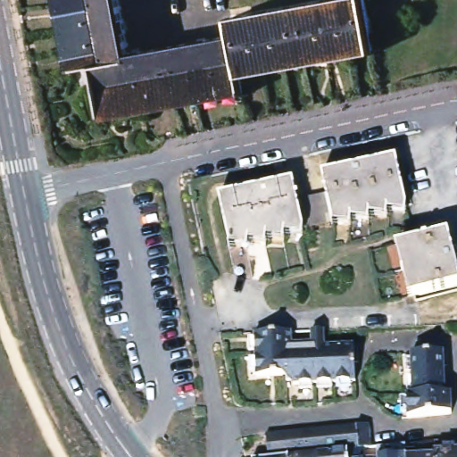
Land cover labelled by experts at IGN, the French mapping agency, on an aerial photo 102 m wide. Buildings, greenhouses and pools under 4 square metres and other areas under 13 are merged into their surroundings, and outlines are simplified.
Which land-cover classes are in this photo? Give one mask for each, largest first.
<instances>
[{"label":"impervious surface","instance_id":"1","mask_svg":"<svg viewBox=\"0 0 457 457\"><path fill-rule=\"evenodd\" d=\"M30 68L25 45L21 23V14L18 12V0H0V177L4 184L5 202L20 257L21 275L29 293L30 305L36 316L46 352L54 366L55 377L59 378L80 418L86 423L91 436L95 437L102 457H166L161 446L157 445V437L166 434V428L170 425L175 412L200 403H205L209 411L205 428L207 457H255V450L259 446L268 448L271 441L348 434L353 430V423H368L370 420H373L375 427V445L382 446L384 450H400V441L407 443V448H430L441 445L443 441H457V403L452 407L425 403L423 407L412 411L407 407L400 409L396 405L395 411L402 412L403 418L395 421L391 416L380 414L373 407L375 400L370 396H357L353 402L346 403L323 402L325 396L332 395V387L337 386L339 395L350 393L353 377L289 378L284 370H278L277 366L257 370L255 337L261 334L262 328L266 325L296 327L298 334H305L311 332L314 321L320 316H327L330 328H353L359 336L366 337L362 361H366L378 355V350H395L396 353H402L403 382L405 386H409L412 380L409 353L412 352L414 345L428 343L443 346L446 387L452 389V396L457 400V320L428 328L425 323H420V320L423 316L432 314L428 298L457 291V286L428 291L421 295H409L400 270H396V284L400 293H403L402 298L395 302L382 303L370 307H316L307 311L300 305L289 311L280 307L275 312L264 300V280L262 273L270 270L266 252L275 248L273 243L266 245L264 241H239L237 245L243 246L246 253L255 259V271L252 277L246 278V275H241V268H234L230 273H223L218 280H214V286L209 293H200V287L196 282L195 257L191 253L184 225V212L180 207V191H184L186 182H191V177L204 179L214 173L216 177H227L228 173H234L239 168L264 166L293 157L303 159L305 155L316 152V143H327L328 150L332 152L336 148L366 145L395 137L396 145L393 148L398 155L405 187V214L403 221H395L389 225L396 227L398 232L423 225H434L441 221L448 223L450 234L457 230V79L411 87L384 95L368 96H362L357 100H345L339 104H318L312 111H296L293 114L271 116L268 120L205 130L195 134L168 139L161 150L152 154L134 155L118 161L87 164L73 162L62 168H54L48 164L46 157L45 134L39 120ZM150 179L159 180L166 193L170 225L173 228L175 245L179 250L180 271L187 291V307L191 314L189 320H184V316L175 311V298H168V291H173V287L166 284L164 278H157L161 271H168V257L148 259L146 253L148 248L157 252L166 250L159 236L161 225L155 223L157 216L143 214L134 204L136 195L132 186L139 180ZM89 191H98L105 195L104 209L86 212V223L80 227L89 228L93 232V250L96 252V259L100 261L98 273L102 289L107 295L93 303L98 316H104L105 323L111 325L112 334L120 339H127V355L134 384L136 389L145 393L148 400L145 418L130 416L127 405L121 400L120 391L116 389L107 373L93 337V330L82 307L79 287L71 273L68 255L62 245L59 209L66 202H70L73 196ZM221 330L239 334V337H232V343L246 346L248 378H264L266 386H270V398H287L289 395L296 398H311L312 384H318V407L298 409L293 405H284V409L257 411L252 405H243L237 396L228 395L227 387H220V378L216 375L214 361L216 352L225 350ZM130 14L134 16L132 25L136 27L137 32L143 37V43L150 50L216 39L218 21H223L225 25L234 23L236 14L246 12L250 11L248 5L228 9V0H129Z\"/></svg>","mask_w":457,"mask_h":457},{"label":"building","instance_id":"2","mask_svg":"<svg viewBox=\"0 0 457 457\"><path fill-rule=\"evenodd\" d=\"M46 11L50 12V27L54 30V37L59 64L73 62L75 68L68 70V75H79L80 86L89 84L91 87L93 102L89 104V116L96 123H104L111 127L114 120L137 114L154 120L161 118L162 112L166 109L177 111H186L187 105H196L202 104L204 109L209 111L214 109L216 100H221L223 105H234L237 102L234 82L237 80L278 75L296 71L300 66L303 70H309L334 64V68H337L339 59L352 61L361 59L364 52L355 0H327L257 14L246 12L236 14L234 23L225 25L223 21H218L216 39L150 50L143 43V37L137 32L136 27L132 25L134 16L130 14L129 0H46ZM323 193L309 196V225L318 227H330V223L337 225L348 227L350 212H353L357 218V227H361L368 221L370 209L375 211L378 218H386L387 205H391L395 212L405 214V187L398 155L393 148L327 162L320 177ZM227 237L234 239L237 245L239 241H264L266 245L273 243L275 248L284 246V232L291 234L293 243L300 241L302 218L295 177L291 171L227 184L214 186ZM393 236H395V241L400 270L409 295H421L428 291L457 286V230L450 234L448 223L441 221L434 225H423L398 232L393 234ZM366 337L359 336L353 328H330L327 316H320L314 321L311 332L305 334H298L296 327L266 325L262 328L261 334L255 337L257 370L277 366L278 370H284L289 378L353 377L355 373H361L366 361H362ZM412 380L409 386L407 393L398 395L396 405L400 409L407 407L412 411L423 407L425 403L452 407L457 403V400L452 396V389L446 387L443 346L428 343L414 345L412 352L409 353ZM255 457H457V441H443L441 445L430 448H407V443L400 441V450H384L382 446L375 445V427L373 420H370L368 423H353V430L348 434L271 441L268 448L259 446L255 450Z\"/></svg>","mask_w":457,"mask_h":457},{"label":"herbaceous vegetation","instance_id":"3","mask_svg":"<svg viewBox=\"0 0 457 457\"><path fill-rule=\"evenodd\" d=\"M327 0H228V9L248 5L250 11L246 12L257 14ZM364 52L373 55L375 59L378 89L384 95L411 87L457 79V0H355ZM403 5L412 7L418 14V20L425 25L416 36L409 39L403 37L402 23L398 18ZM21 23H29L30 29L50 27V12L46 11H29L27 14H21ZM30 68L39 66L48 70L57 68L59 64L54 37L25 45ZM355 68L353 80L359 86V95L362 96H368L370 86L366 82V61L361 59L352 61ZM291 104L296 111H302L300 84L296 71L287 73ZM278 75L237 80L234 82L237 102H241L246 95H253L255 102H266L268 95L264 87L271 82L277 84ZM189 123L195 127V134L205 130L196 111V105H187L186 111ZM182 127L177 111L166 109L162 112L161 118L154 120V132L171 136L175 130ZM227 177H216L214 173L204 179L191 177V182H186L184 191H180V207L184 212V225L191 253L195 257L196 282L200 287V293H209L214 286V280H218L223 273H230L234 268L228 253L227 237L214 186L227 184ZM0 305L12 336L18 339L21 359L27 366L46 416L68 457H102L95 437L91 436L86 423L80 418L59 378L55 377L54 366L46 352L36 316L30 305L29 293L21 275L20 257L5 202L4 184L0 177ZM105 195L98 191H89L73 196L70 202H66L59 209L62 245L68 255L71 273L79 287L82 307L93 330V337L107 373L116 389L120 391L121 400L127 405L130 416L145 418L148 400L145 393L136 389L134 384L127 355V339H120L112 334L111 325L105 323L104 316H98L93 303L107 295L102 289L98 273L100 261L96 259V252L93 250V232L89 228L80 227L86 223V212L104 209ZM337 237V225L330 223V227H318L316 246L309 248L314 268L289 271L284 277L264 280V300L275 312L280 307L289 311L300 305L307 311L316 307H370L382 303L378 300L377 282L373 278L375 271L371 266L368 250H366V252H361V250H359V246L357 245L332 246ZM336 264H348L353 268L352 287L343 295H330L320 286L321 273H325ZM270 270L303 262L300 241L293 243L291 234L284 232V246L275 248L266 252ZM0 457H54L46 445L45 437L37 427L36 418L30 411L29 402L12 371L9 355L5 352L0 337ZM391 366V370L382 373L378 378H370V386L377 389H396L403 382L402 353H396L395 350H378V355ZM209 411L205 403H200L175 412L170 425L166 428V434L157 437V445L161 446L166 457H207L205 428Z\"/></svg>","mask_w":457,"mask_h":457},{"label":"brushwood","instance_id":"4","mask_svg":"<svg viewBox=\"0 0 457 457\"><path fill-rule=\"evenodd\" d=\"M46 0H18V12L21 14H27L29 11H46ZM398 18L402 23L403 37L409 39L416 36L425 25L418 20V14L412 7L403 5ZM25 45L54 37V30L50 27L30 29L29 23H21ZM361 59L366 61V82L370 86L368 96L384 95L378 89L375 59L373 55L364 52ZM300 84L302 111H312L318 104H339L345 100H357L362 96L359 95V86L353 80L355 68L352 61L339 59L337 68H334V64L309 70H303L300 66L296 71ZM75 68L73 62L59 64L57 68L48 70L39 66L30 68L39 120L45 134L46 157L48 164L54 168H62L73 162L87 164L118 161L134 155L152 154L161 150L168 139L195 134V127L189 123L186 111H177L182 127L175 130L171 136L154 132V120L137 114L114 120L111 127L104 123H96L89 116V104L93 102L91 87L89 84L80 86L79 75H68V70ZM268 95L266 102H255L253 95H246L241 102H237L234 105H223L221 100H216L214 109L209 111L204 109L202 104L196 105V111L205 130L268 120L271 116L293 114L296 111L291 104L287 73L278 75L277 84L271 82L264 87ZM136 195L134 204L143 214L157 216L155 223L161 225L159 236L166 250L157 252L148 248L146 253L148 259L168 257V271H161L157 278H164L166 284L173 287V291H168V298H175V311L184 316V320H189L191 314L187 307V291L180 271L179 250L175 245L173 228L170 225L166 193L159 180L150 179L139 180L132 186ZM318 227L309 225V218H302L300 241L303 262L270 270L262 273L264 280L284 277L289 271L314 268L309 248L316 246ZM391 234H393L398 232L396 227L389 225L387 228L370 230V234L350 236L348 239L337 237L332 246L357 245H359V243H364V241H371V239H378V237L391 236ZM371 266L375 271L373 278L377 282L378 300L382 303L395 302L402 298L403 293H400L396 284V270H400L395 241H387V243H382V245L371 246V248H368V250ZM353 268L348 264H336L325 273H321L320 286L330 295H343L352 287ZM232 337H239V334L221 330L225 350L216 352L214 361L216 375L220 378V387H227L228 395L237 396L243 405H252L257 411L284 409V405H293L298 409L318 407V384H312L311 398H296L289 395L287 398H270V386H266L264 378H248L246 346L232 343ZM391 370V366L378 355L366 361L361 373H355L353 377L350 393L339 395L337 386L332 387V395L325 396L323 402L346 403L353 402L357 396H370L375 400L373 407L380 414L391 416L395 421L403 418L402 412L395 411L396 405L398 395L407 393L409 386H405L403 382L396 389H377L370 386V378H378L382 373Z\"/></svg>","mask_w":457,"mask_h":457},{"label":"pervious surface","instance_id":"5","mask_svg":"<svg viewBox=\"0 0 457 457\"><path fill-rule=\"evenodd\" d=\"M396 145L395 137L366 145L336 148L332 152L328 150L327 143H316V152L305 155L303 159L293 157L264 166L239 168L234 173H228L227 177V184L291 171L295 177L302 218H309V196L323 193L320 177L327 162L393 148ZM405 214L395 212L391 205H387L386 218H378L375 211L370 209L368 221L361 227H357V218L353 212H350L348 227L337 225V237L348 239L350 236L370 234V230L387 228L389 225L395 221H403ZM387 241H395V236H393V234H391V236L378 237V239H371V241H364V243H359V245H357L359 246V250H361V252H366V250H368V248H371V246L382 245V243H387ZM228 253L234 268H241V275H246V278L252 277L255 271V259L246 253L243 246L237 245L234 239L227 237ZM432 314L423 316L420 320V323H425L428 328L457 320V291L428 298ZM0 337L5 352L9 355L12 371L29 402L30 411L36 418L37 427L45 437L46 445L54 457H68L46 416L27 366L21 359L18 339L12 336L0 305Z\"/></svg>","mask_w":457,"mask_h":457}]
</instances>
